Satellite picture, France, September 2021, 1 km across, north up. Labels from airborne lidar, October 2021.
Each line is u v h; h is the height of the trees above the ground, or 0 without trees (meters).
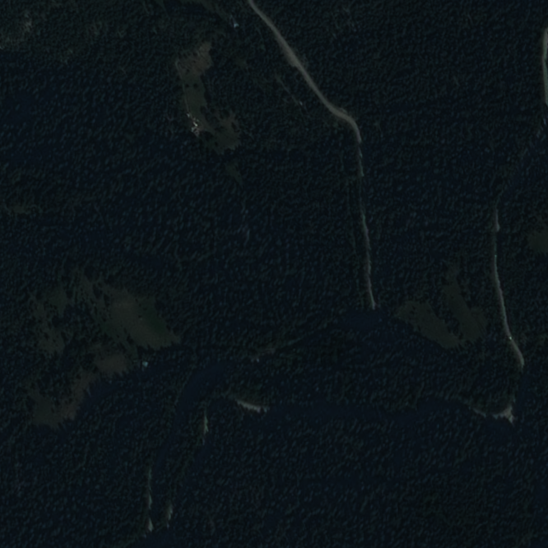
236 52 18
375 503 11
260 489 29
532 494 10
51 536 27
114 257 27
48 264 25
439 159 16
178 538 17
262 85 11
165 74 21
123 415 30
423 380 32
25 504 29
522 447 32
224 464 16
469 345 11
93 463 10
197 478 11
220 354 15
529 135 12
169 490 21
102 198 22
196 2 0
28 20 10
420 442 19
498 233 0
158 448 8
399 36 28
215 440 14
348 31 15
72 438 17
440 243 23
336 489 17
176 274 18
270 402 11
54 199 23
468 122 7
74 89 26
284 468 27
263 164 18
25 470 28
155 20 16
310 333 17
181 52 11
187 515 25
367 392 12
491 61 20
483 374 13
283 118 24
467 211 9
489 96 10
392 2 21
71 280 12
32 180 14
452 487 18
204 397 13
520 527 21
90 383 0
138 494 24
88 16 9
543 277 18
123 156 23
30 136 26
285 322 8
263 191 20
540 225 14
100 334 17
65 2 21
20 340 25
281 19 16
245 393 16
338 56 15
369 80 24
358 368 20
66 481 23
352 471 34
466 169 18
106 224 9
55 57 12
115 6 11
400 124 23
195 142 25
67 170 23
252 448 6
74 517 11
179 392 11
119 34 19
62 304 0
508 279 17
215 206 22
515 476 24
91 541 24
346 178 13
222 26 15
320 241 19
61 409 15
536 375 20
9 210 7
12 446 23
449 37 21
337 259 18
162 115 24
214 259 10
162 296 22
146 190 27
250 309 19
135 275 29
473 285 20
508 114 8
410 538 23
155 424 25
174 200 10
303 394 8
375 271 14
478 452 7
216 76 16
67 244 30
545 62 0
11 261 25
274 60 14
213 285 31
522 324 14
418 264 28
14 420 10
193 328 18
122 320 0
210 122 17
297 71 10
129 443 21
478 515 21
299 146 24
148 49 27
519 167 0
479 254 26
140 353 10
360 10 17
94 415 24
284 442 13
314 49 20
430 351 30
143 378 11
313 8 18
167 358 22
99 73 28
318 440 27
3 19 11
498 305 12
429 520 17
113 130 21
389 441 10
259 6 9
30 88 29
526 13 24
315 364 24
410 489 21
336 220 25
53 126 27
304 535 27
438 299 24
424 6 30
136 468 16
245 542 16
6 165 24
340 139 22
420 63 30
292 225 14
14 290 25
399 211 26
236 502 28
